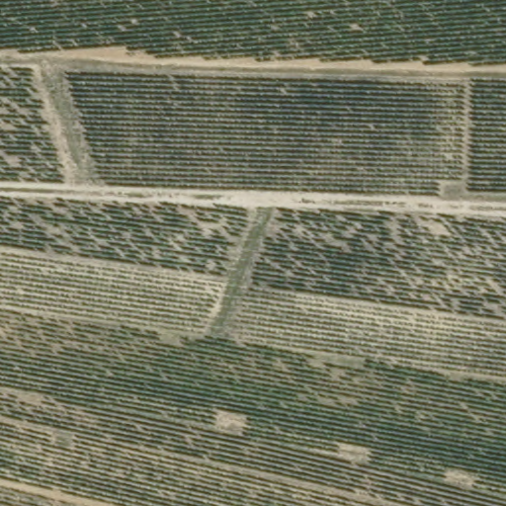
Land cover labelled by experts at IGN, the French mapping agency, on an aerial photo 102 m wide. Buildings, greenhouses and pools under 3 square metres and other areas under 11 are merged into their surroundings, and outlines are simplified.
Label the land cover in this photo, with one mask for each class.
<instances>
[{"label":"vineyard","instance_id":"1","mask_svg":"<svg viewBox=\"0 0 506 506\"><path fill-rule=\"evenodd\" d=\"M91 47H126L128 51H144L154 57H253L257 61L370 59L374 63L419 61L425 65H506V0H0V49H18L22 53H34ZM45 121L42 119V101L38 99V91L32 83V69H0V182H63L57 150L51 142L49 132H45L43 126ZM67 81L71 83L75 107L81 111L85 140L91 148L89 156L95 160V168L103 184L126 188L431 196L437 200L506 202V73H461V79L457 83H403L378 79L223 77L69 71ZM0 506H506V217L459 219L453 213L421 211H378L376 215H364L358 211H306L279 206L206 208L170 202L105 204L61 198L47 200L45 204H30L24 198H0Z\"/></svg>","mask_w":506,"mask_h":506},{"label":"herbaceous vegetation","instance_id":"2","mask_svg":"<svg viewBox=\"0 0 506 506\"><path fill-rule=\"evenodd\" d=\"M32 69V83L38 91V99L42 101V119L45 121L43 126L45 132H49L51 142L57 150L63 182L103 184L95 168V160L89 156L91 148L85 140L81 111L75 107L71 83L67 81L69 71L223 77L378 79L403 83H457L461 79V73H506V65H425L419 61L374 63L370 59L257 61L253 57H154L144 51H128L126 47H91L34 53H22L18 49H0V69Z\"/></svg>","mask_w":506,"mask_h":506},{"label":"pervious surface","instance_id":"3","mask_svg":"<svg viewBox=\"0 0 506 506\"><path fill-rule=\"evenodd\" d=\"M0 198H24L30 204H45L47 200L61 198L105 204L170 202L206 208L279 206L306 211H358L364 215H376L378 211H421L453 213L459 219L506 217V202L437 200L431 196L126 188L103 184L63 182H0Z\"/></svg>","mask_w":506,"mask_h":506}]
</instances>
